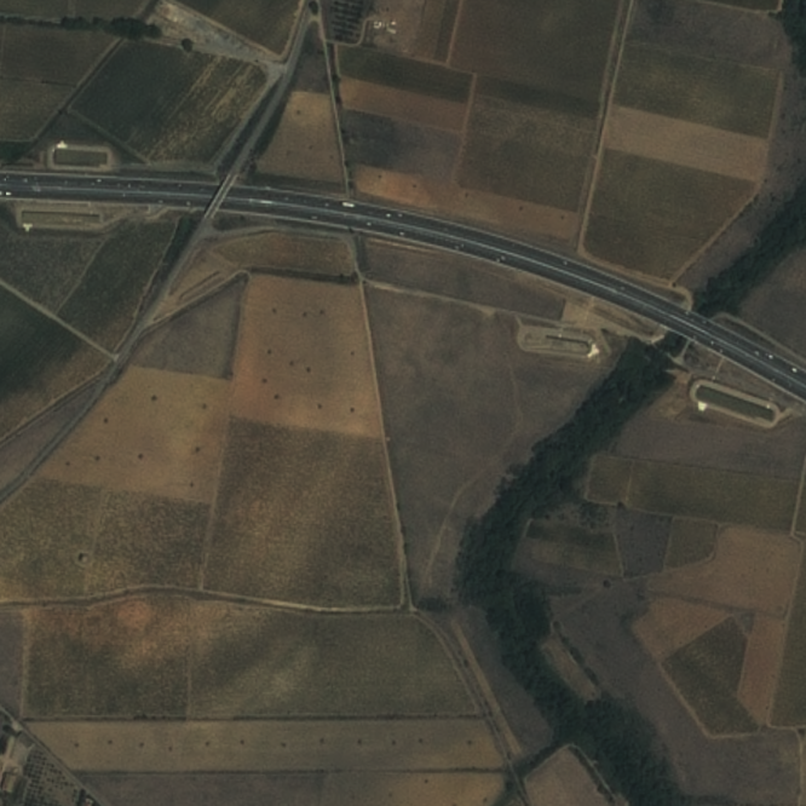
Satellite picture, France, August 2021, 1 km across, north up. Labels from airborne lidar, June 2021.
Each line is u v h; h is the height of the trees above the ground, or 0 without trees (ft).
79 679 0
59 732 0
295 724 0
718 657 0
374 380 0
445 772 0
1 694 0
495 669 0
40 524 0
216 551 0
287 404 0
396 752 0
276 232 0
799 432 0
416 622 0
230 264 0
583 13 0
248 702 0
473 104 0
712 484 0
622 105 0
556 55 0
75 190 0
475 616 0
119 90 0
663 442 0
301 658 0
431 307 0
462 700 0
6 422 0
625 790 35
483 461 0
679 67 0
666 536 0
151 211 0
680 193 0
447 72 0
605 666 0
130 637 0
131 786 0
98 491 0
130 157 0
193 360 0
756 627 0
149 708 0
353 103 0
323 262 0
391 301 0
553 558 0
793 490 0
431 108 0
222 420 0
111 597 0
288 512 0
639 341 21
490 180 0
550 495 28
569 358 0
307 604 0
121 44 0
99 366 0
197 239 0
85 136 0
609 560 0
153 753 0
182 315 0
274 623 0
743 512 0
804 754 0
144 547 0
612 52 0
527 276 0
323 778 0
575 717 35
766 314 0
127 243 0
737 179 0
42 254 0
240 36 0
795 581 0
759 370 0
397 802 0
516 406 0
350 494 0
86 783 0
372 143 0
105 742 0
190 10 0
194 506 0
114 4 0
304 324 0
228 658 0
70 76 0
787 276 0
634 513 0
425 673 0
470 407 0
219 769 0
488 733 0
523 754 0
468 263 0
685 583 0
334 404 0
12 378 0
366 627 0
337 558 0
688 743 0
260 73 0
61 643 0
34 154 0
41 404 0
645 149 0
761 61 0
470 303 0
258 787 0
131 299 0
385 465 0
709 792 0
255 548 0
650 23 0
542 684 51
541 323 0
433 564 0
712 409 0
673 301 0
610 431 26
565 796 0
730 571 0
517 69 0
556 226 0
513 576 32
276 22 0
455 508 0
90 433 0
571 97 0
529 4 0
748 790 0
